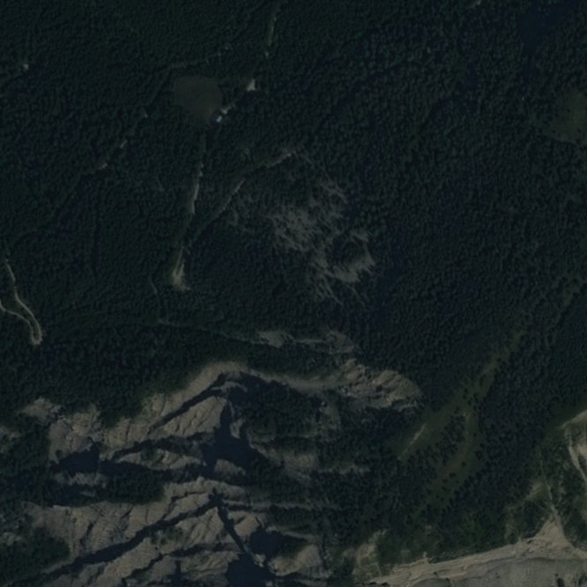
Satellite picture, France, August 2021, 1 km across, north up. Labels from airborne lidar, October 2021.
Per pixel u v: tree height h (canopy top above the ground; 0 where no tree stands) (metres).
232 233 14
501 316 16
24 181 9
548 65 19
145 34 10
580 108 0
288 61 11
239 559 0
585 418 0
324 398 0
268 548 0
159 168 15
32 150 29
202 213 14
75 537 0
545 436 8
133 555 0
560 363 14
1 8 24
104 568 0
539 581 0
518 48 24
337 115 23
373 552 0
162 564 0
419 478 13
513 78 20
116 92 25
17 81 12
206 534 0
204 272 15
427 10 7
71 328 16
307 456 0
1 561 16
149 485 16
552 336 15
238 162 14
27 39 29
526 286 16
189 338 19
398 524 12
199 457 0
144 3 11
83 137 26
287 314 19
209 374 0
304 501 8
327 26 11
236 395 0
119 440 0
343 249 13
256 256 16
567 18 16
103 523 0
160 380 7
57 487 21
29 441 20
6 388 12
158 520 0
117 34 8
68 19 11
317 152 21
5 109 24
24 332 19
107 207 26
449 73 24
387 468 7
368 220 25
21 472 16
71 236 26
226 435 0
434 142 25
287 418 11
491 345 12
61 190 28
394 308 25
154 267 19
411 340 22
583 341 12
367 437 12
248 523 0
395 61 25
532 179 21
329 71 25
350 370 0
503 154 16
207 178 10
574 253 16
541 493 0
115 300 13
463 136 30
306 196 14
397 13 7
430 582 0
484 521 11
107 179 26
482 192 18
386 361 11
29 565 17
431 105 21
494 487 17
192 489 0
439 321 18
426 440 0
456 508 13
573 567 0
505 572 0
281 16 9
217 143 22
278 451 7
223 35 11
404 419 13
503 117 18
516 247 13
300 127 15
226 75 13
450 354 16
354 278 0
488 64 28
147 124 21
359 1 16
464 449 0
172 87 14
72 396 15
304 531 7
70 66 24
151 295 16
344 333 16
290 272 20
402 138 14
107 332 15
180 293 8
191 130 10
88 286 9
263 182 9
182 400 0
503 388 20
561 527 0
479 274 25
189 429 0
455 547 9
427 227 21
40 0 13
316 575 0
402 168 24
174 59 9
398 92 26
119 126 26
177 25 10
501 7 9
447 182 18
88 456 0
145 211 26
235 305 19
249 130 15
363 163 18
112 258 21
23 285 13
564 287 15
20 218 14
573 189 12
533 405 15
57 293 13
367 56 24
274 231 10
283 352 9
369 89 24
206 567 0
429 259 25
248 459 11
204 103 0
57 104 31
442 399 11
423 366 20
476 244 16
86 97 23
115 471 0
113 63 11
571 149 13
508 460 16
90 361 24
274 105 13
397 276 20
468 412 0
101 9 12
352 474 6
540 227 19
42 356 28
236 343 12
